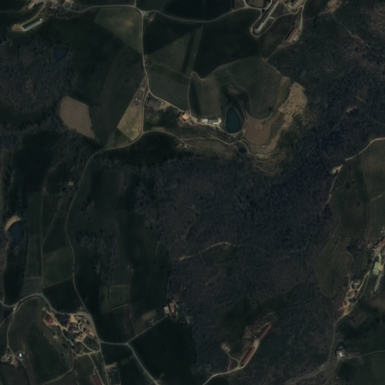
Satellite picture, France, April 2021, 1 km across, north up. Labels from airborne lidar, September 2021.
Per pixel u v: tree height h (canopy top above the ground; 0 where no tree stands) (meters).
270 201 22
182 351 0
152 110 7
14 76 12
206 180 8
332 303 8
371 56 10
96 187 0
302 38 9
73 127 0
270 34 0
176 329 0
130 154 0
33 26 0
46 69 7
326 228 10
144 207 11
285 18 0
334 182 8
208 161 14
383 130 12
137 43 0
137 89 0
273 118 0
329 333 0
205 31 0
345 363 0
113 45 0
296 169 7
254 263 8
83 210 11
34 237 0
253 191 17
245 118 0
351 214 0
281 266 9
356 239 6
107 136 0
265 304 0
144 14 0
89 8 0
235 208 20
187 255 7
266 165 0
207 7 0
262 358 0
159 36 0
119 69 0
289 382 0
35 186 0
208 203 11
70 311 0
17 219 0
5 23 0
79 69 0
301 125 9
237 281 9
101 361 0
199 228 6
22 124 0
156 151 0
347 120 9
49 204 0
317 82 8
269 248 11
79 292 0
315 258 8
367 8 6
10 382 0
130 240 0
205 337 11
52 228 0
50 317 0
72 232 0
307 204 15
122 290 0
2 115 0
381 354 0
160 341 0
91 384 0
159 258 0
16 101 18
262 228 13
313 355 0
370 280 0
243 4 0
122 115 0
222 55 0
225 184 15
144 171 17
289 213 12
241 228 13
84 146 19
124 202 0
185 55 0
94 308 0
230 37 0
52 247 0
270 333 0
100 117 0
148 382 0
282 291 6
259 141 0
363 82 14
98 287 0
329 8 0
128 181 16
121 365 0
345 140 10
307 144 11
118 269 0
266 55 0
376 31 11
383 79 7
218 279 6
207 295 9
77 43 0
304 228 12
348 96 11
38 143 0
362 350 0
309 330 0
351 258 0
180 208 7
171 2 0
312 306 5
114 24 0
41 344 0
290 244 11
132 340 0
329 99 16
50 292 0
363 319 0
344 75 12
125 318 0
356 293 6
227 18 0
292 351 0
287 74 12
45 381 0
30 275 0
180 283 7
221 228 8
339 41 6
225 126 0
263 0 0
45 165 0
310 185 13
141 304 0
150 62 0
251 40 0
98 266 14
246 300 0
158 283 0
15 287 0
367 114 11
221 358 0
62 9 10
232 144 0
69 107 0
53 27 0
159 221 7
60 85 17
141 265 0
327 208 7
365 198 0
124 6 0
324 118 12
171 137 0
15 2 0
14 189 0
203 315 6
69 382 0
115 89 0
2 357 0
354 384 0
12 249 21
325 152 12
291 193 20
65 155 7
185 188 7
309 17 0
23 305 0
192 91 0
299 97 0
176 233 7
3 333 0
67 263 0
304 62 12
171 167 15
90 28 0
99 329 0
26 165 0
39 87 11
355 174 0
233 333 0
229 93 0
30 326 0
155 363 0
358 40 6
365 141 13
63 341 0
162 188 17
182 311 7
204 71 0
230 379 0
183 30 0
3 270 0
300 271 9
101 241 28
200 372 0
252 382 0
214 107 0
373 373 0
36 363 0
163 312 6
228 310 0
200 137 0
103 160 25
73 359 0
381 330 0
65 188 11
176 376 0
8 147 16
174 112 13
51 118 16
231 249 0
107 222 0
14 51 0
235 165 19
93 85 0
